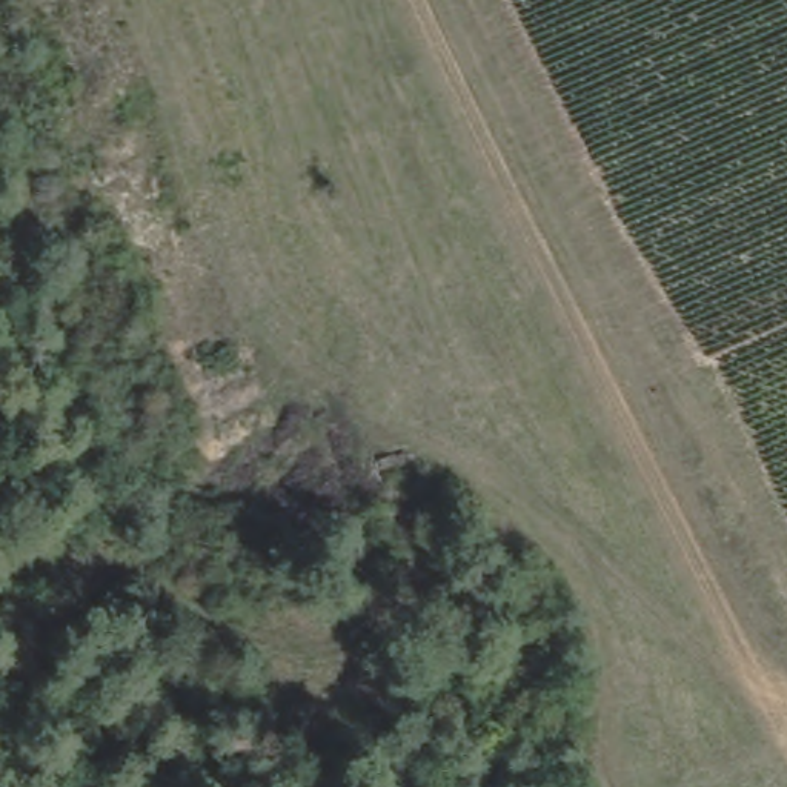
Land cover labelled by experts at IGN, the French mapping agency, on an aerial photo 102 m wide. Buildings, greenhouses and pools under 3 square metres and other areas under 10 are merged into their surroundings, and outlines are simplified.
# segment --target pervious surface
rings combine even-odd
[[[452,111],[449,117],[461,126],[458,148],[470,154],[467,169],[477,175],[473,191],[486,200],[492,227],[498,234],[498,246],[507,249],[510,267],[520,280],[510,289],[510,301],[529,301],[532,289],[544,286],[553,320],[572,335],[575,360],[590,375],[590,387],[606,406],[606,433],[615,437],[618,452],[633,464],[639,477],[636,486],[646,498],[652,498],[661,529],[670,538],[670,556],[679,556],[682,572],[692,578],[692,587],[719,636],[729,667],[735,670],[741,689],[762,716],[765,732],[787,756],[787,673],[772,670],[756,652],[756,646],[747,639],[587,317],[581,314],[563,271],[556,267],[547,237],[541,234],[529,203],[520,194],[520,181],[467,86],[467,77],[452,52],[449,37],[443,34],[433,15],[430,0],[403,0],[409,6],[409,18],[418,31],[424,55],[433,65],[437,89],[443,92]]]

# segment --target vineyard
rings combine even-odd
[[[744,421],[753,427],[762,461],[787,507],[787,0],[513,0],[541,61],[547,65],[563,95],[566,111],[572,114],[590,157],[609,181],[609,194],[621,197],[618,215],[624,218],[643,255],[652,261],[661,286],[682,314],[689,332],[698,338],[704,354],[713,354],[719,360],[726,381],[741,394]]]

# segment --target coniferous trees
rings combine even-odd
[[[172,354],[160,344],[154,295],[160,292],[160,283],[151,271],[151,252],[132,246],[126,224],[114,209],[92,209],[92,191],[74,188],[74,175],[105,169],[105,157],[95,144],[71,148],[61,138],[55,105],[77,105],[80,86],[74,86],[74,68],[68,65],[61,40],[46,28],[46,12],[28,0],[0,0],[0,307],[22,289],[40,292],[40,310],[28,314],[25,323],[12,323],[0,310],[0,412],[18,415],[34,409],[46,418],[40,424],[34,449],[40,467],[52,461],[77,461],[92,446],[92,418],[114,418],[120,424],[129,467],[138,467],[157,489],[151,498],[154,523],[141,532],[141,541],[129,547],[117,532],[111,532],[95,547],[92,563],[61,556],[65,538],[74,532],[83,513],[101,504],[98,492],[92,489],[92,480],[83,470],[71,473],[71,495],[58,510],[46,507],[37,498],[22,498],[12,507],[0,510],[0,667],[18,679],[12,689],[15,695],[31,701],[37,689],[46,689],[46,701],[61,707],[86,682],[89,689],[101,692],[92,719],[105,726],[101,735],[89,738],[86,744],[74,735],[71,722],[43,726],[40,732],[34,729],[0,735],[0,787],[55,787],[55,775],[68,772],[77,753],[89,765],[83,787],[301,787],[292,778],[271,781],[264,775],[264,769],[280,762],[277,735],[301,735],[307,750],[317,756],[320,772],[310,787],[418,787],[415,772],[421,762],[449,762],[455,778],[483,775],[483,787],[556,787],[544,784],[547,775],[541,765],[529,769],[532,756],[566,753],[572,747],[569,732],[538,716],[541,692],[569,689],[575,670],[581,667],[584,621],[575,612],[572,590],[560,566],[550,556],[544,556],[523,532],[501,529],[492,520],[492,510],[477,501],[473,486],[467,480],[455,486],[455,492],[446,501],[424,504],[424,510],[415,516],[415,529],[406,532],[397,526],[397,510],[390,504],[375,504],[378,495],[369,486],[347,486],[341,495],[317,495],[298,483],[286,483],[283,477],[267,489],[234,492],[221,492],[218,486],[206,483],[209,470],[218,461],[200,452],[197,403],[178,378]]]

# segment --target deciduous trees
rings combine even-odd
[[[55,775],[55,787],[83,787],[89,765],[77,753],[68,772]]]
[[[575,670],[569,689],[541,692],[538,716],[569,732],[572,747],[566,753],[532,756],[529,769],[541,765],[547,775],[544,784],[556,787],[599,787],[590,778],[590,762],[599,744],[593,726],[596,676],[593,670],[581,667]]]
[[[105,726],[92,719],[101,692],[89,689],[86,682],[61,707],[46,701],[46,689],[37,689],[31,701],[15,695],[12,689],[18,679],[0,667],[0,735],[34,729],[40,732],[43,726],[71,722],[74,735],[86,744],[89,738],[101,735]]]
[[[455,778],[449,762],[421,762],[415,772],[418,787],[483,787],[483,775]]]
[[[0,307],[0,310],[12,323],[25,323],[28,314],[40,310],[40,292],[22,289]]]
[[[320,772],[317,756],[307,750],[301,735],[277,735],[280,762],[264,769],[264,775],[271,781],[292,778],[301,787],[310,787]]]
[[[83,470],[92,480],[92,489],[98,492],[101,504],[83,513],[74,532],[65,538],[61,556],[92,563],[95,547],[111,532],[117,532],[129,547],[141,541],[141,532],[154,523],[151,498],[157,489],[138,467],[129,467],[120,424],[114,418],[92,418],[92,446],[77,461],[52,461],[40,467],[34,449],[40,424],[46,418],[34,409],[18,415],[0,412],[0,510],[12,507],[22,498],[37,498],[46,507],[58,510],[71,495],[71,473]]]

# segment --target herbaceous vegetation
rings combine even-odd
[[[218,461],[209,470],[206,483],[218,486],[221,492],[234,492],[267,489],[283,477],[286,483],[298,483],[317,495],[341,495],[347,486],[369,486],[378,495],[375,504],[390,504],[397,510],[397,526],[406,532],[415,529],[415,516],[424,510],[424,504],[446,501],[455,492],[455,486],[467,480],[473,486],[477,501],[492,510],[492,520],[501,529],[523,532],[544,556],[550,556],[560,566],[572,590],[575,612],[584,621],[581,667],[593,670],[596,676],[593,726],[599,744],[590,762],[590,778],[599,787],[787,787],[787,756],[765,732],[762,716],[741,689],[735,670],[729,667],[719,636],[692,587],[692,578],[682,572],[679,556],[670,556],[670,538],[661,529],[652,498],[646,498],[636,486],[639,477],[633,464],[618,452],[615,437],[606,433],[606,406],[590,387],[590,375],[575,360],[572,335],[553,320],[544,286],[532,289],[529,301],[510,301],[510,289],[520,280],[510,267],[507,249],[498,246],[498,234],[492,227],[486,200],[473,191],[477,175],[467,169],[470,154],[458,148],[461,126],[449,117],[452,111],[443,92],[437,89],[433,65],[424,55],[418,31],[409,18],[409,6],[403,0],[28,0],[46,12],[46,28],[61,40],[68,65],[74,68],[74,86],[80,86],[77,105],[55,105],[61,138],[71,148],[95,144],[105,157],[105,169],[74,175],[74,188],[92,191],[92,209],[114,209],[126,224],[132,246],[151,252],[151,271],[160,283],[160,292],[154,295],[160,344],[172,354],[178,378],[197,403],[200,452]]]
[[[547,237],[556,267],[563,271],[581,314],[587,317],[747,639],[756,646],[756,652],[772,670],[787,673],[787,507],[762,461],[753,427],[744,421],[741,394],[726,381],[719,360],[713,354],[704,354],[698,338],[689,332],[682,314],[661,286],[652,261],[643,255],[624,218],[618,215],[621,197],[609,194],[609,181],[590,157],[572,114],[566,111],[563,95],[547,65],[541,61],[513,0],[430,0],[433,15],[443,34],[449,37],[452,52],[467,77],[467,86],[520,181],[520,194],[529,203],[541,234]]]

